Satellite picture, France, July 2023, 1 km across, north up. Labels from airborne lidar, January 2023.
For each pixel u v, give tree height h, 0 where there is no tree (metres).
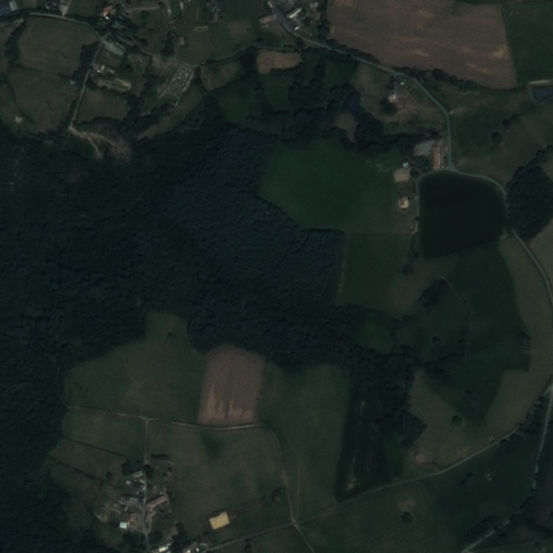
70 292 24
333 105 13
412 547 0
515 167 0
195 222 30
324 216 0
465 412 0
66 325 18
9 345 16
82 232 23
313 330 26
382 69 0
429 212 0
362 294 0
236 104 0
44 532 7
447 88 0
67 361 12
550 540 0
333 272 24
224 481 0
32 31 0
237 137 25
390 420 20
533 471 0
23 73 0
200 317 22
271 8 7
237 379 0
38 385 14
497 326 0
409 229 0
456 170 0
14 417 18
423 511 0
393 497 0
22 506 20
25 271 28
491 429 0
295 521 0
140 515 0
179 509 0
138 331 8
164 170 17
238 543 0
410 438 13
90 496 0
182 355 0
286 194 0
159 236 20
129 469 13
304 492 0
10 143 11
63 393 8
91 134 27
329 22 12
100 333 10
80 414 0
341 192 0
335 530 0
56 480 0
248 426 0
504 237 0
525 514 16
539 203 17
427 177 0
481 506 0
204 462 0
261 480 0
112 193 16
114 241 9
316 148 0
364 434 0
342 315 19
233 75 0
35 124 0
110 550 6
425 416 0
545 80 0
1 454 19
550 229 0
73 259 15
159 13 0
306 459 0
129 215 25
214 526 0
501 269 0
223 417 0
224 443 0
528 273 0
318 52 13
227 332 17
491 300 0
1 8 0
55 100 0
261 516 0
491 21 0
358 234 0
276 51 0
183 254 23
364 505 0
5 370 17
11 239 22
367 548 0
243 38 0
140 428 0
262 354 15
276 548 0
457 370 0
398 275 0
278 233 24
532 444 0
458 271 0
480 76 0
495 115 0
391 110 7
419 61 0
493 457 0
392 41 0
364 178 0
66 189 14
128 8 0
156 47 0
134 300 16
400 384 0
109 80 0
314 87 20
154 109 8
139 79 0
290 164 0
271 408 0
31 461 10
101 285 19
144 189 20
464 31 0
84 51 9
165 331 0
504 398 0
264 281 17
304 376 0
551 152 6
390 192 0
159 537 9
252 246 26
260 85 7
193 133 15
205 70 0
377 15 0
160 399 0
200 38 0
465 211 0
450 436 0
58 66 0
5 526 15
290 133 16
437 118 0
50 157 12
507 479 0
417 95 0
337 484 0
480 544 0
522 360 0
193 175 23
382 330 0
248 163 17
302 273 25
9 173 12
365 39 0
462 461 0
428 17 0
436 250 0
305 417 0
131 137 24
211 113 17
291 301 18
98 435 0
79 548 9
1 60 0
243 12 0
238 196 24
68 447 0
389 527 0
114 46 0
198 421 0
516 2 0
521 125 0
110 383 0
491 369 0
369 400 0
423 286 0
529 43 0
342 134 18
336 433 0
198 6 0
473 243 0
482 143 0
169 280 15
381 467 6
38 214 25
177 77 0
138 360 0
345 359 13
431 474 0
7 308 20
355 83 0
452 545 0
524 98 0
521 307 0
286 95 0
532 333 0
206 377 0
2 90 0
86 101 0
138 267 13
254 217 25
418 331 0
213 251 28
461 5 0
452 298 0
